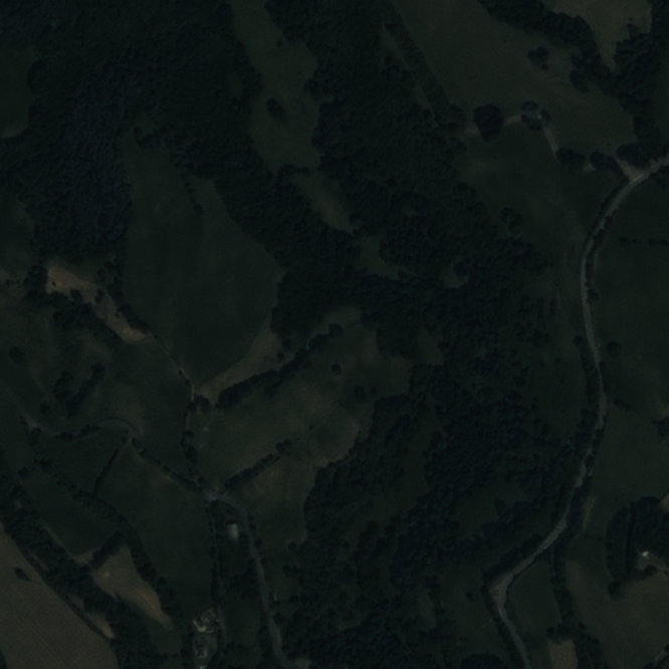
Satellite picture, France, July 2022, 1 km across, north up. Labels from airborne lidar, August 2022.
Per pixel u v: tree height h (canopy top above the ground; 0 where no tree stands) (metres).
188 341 0
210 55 16
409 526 10
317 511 27
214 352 0
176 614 21
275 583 0
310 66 0
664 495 0
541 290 0
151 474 0
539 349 10
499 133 14
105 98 27
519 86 0
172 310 0
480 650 0
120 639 9
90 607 17
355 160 21
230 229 0
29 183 15
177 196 0
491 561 0
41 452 7
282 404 0
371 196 27
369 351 0
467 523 0
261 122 0
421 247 27
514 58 0
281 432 0
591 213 0
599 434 13
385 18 16
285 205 31
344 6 13
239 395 23
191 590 0
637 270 0
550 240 0
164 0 20
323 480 19
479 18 0
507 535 20
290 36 23
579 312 0
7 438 0
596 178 0
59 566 17
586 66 20
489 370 30
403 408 22
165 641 0
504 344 25
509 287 18
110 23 25
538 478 21
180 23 21
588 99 0
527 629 0
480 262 22
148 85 23
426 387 23
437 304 20
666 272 0
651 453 0
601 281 0
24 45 15
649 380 0
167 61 25
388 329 15
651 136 27
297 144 0
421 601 0
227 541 6
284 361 12
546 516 0
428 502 15
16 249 0
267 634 14
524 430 27
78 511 0
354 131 22
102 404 0
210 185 0
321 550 18
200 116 27
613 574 9
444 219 27
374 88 29
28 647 0
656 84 12
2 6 25
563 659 0
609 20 0
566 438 0
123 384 0
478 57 0
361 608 15
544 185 0
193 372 0
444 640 27
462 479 26
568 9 0
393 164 23
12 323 0
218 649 6
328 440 0
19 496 19
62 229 26
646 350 0
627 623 0
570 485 15
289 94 0
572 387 0
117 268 8
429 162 19
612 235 0
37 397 0
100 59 30
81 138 25
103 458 0
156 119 21
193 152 16
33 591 0
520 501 0
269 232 27
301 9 21
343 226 0
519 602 0
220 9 14
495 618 9
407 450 24
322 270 24
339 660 29
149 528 0
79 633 0
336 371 13
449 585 0
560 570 20
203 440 0
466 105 0
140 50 32
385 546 24
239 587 11
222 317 0
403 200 20
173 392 0
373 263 0
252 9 0
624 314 0
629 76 10
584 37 23
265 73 0
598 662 20
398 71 20
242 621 0
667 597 0
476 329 20
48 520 0
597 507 0
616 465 0
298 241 25
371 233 14
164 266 0
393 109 22
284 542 0
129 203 15
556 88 0
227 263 0
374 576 18
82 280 0
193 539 0
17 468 0
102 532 0
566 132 0
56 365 0
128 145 0
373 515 0
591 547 0
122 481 0
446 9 0
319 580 24
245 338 0
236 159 30
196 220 0
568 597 17
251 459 0
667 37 15
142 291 0
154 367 0
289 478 0
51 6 19
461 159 0
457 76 0
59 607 0
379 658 30
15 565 0
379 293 28
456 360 30
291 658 13
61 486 14
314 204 0
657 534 12
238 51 20
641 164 21
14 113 0
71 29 19
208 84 31
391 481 26
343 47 24
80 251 24
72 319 18
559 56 0
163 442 0
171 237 0
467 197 20
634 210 0
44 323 0
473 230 24
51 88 27
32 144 25
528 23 25
